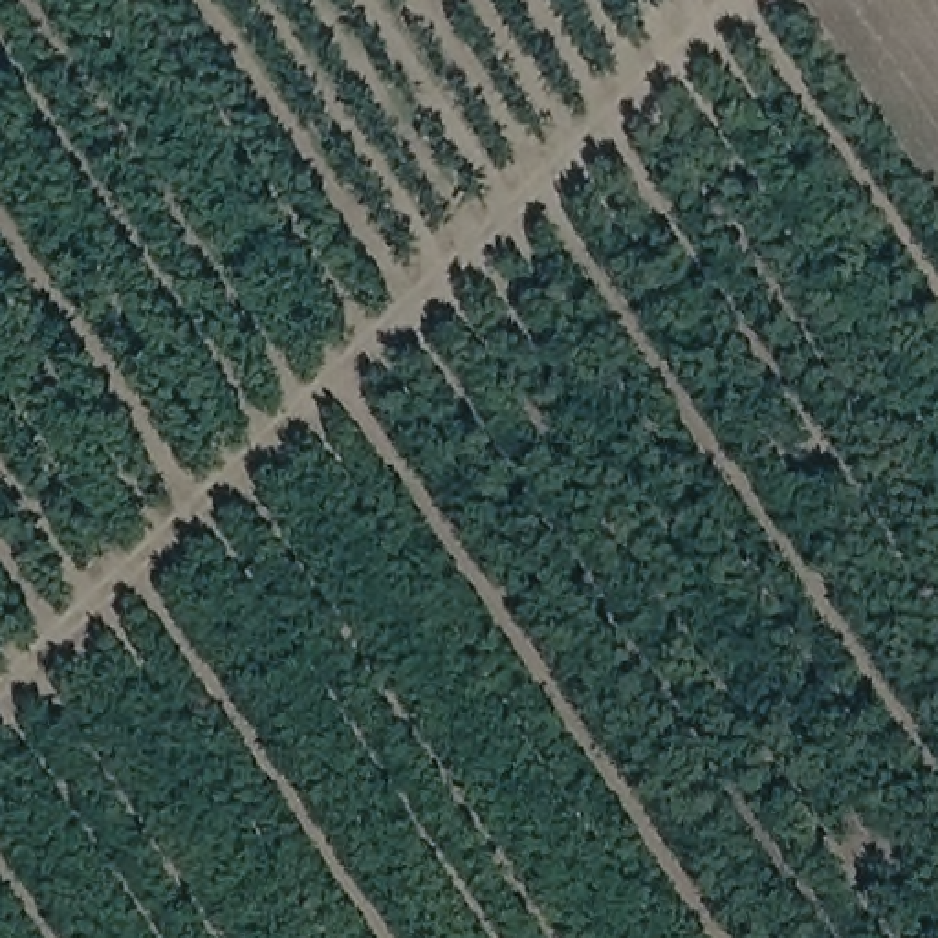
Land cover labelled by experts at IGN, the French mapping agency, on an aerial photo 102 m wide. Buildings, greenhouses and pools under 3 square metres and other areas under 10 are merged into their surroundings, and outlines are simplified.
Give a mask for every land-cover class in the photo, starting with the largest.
<instances>
[{"label":"deciduous trees","instance_id":"1","mask_svg":"<svg viewBox=\"0 0 938 938\"><path fill-rule=\"evenodd\" d=\"M51 26L73 48L70 59H62L37 33V22L26 15L18 0H0V202L26 235L33 256L48 267L51 282L62 286V293L84 311V319L99 333L103 348L121 363L125 377L143 396V407L183 469H216L220 451L242 443L249 429L245 418L256 407L275 410L282 403V377L297 374L300 381H308L322 366L326 348L344 344V304L381 311L388 297L377 260L348 231L341 209L330 205L322 176L300 158L293 136L256 95L253 81L235 62L231 44H224L220 33L202 18L194 0H40ZM245 33V40L253 44L256 59L264 62V70L271 73L300 125L315 128L319 147L330 158L337 180L348 183L352 194L366 205V216L377 224L396 260L410 256L414 242L407 216L392 209L388 191L370 172L366 158L355 154L352 136L333 125L308 73L282 48L271 18L253 0H216ZM304 48H311L322 70L333 77L348 114L363 125L370 143L381 147L385 161L392 165L399 183L418 198V209L432 227H440L447 216L443 198L421 176L410 147L392 132L366 81L355 70H348L330 29L319 22L308 0H278ZM348 33L370 55L374 70L392 88L407 84L410 77L396 59H388L381 29L366 18V11L355 0H330ZM451 26L476 51L506 106L535 139H546L550 117L528 103L513 66L506 55H498L487 26L480 22L469 0H465L451 15ZM502 22L528 55L575 117L586 114L579 84L561 62L553 37L546 29H535L524 0H495ZM594 73H608L616 66L608 48L612 40L627 37L630 44H641L649 37L638 4L630 0H550ZM399 26L421 51L432 77H440L454 92V103L465 125L476 132L487 158L495 165H509L513 154L502 136V125L487 114L480 88H473L465 73L443 59L432 26L407 7ZM766 22L802 70L821 110L843 128L865 169L879 180V187L898 205L909 231L938 267V176L931 169H916L912 158H905L894 147V132L879 103L861 95L846 55L828 51V44L817 37L813 18L806 22L799 15L777 11L766 15ZM729 48L740 55L758 95L740 92L733 73L722 66L718 51L711 48L700 40L689 44L685 73H678V84L663 92L652 121H645L630 139L656 191L671 198V209L696 242V256H682V249L674 245V231L660 213H652L638 198L634 180L619 158L594 161V169L583 172V187L561 198L568 220L583 235L594 260L608 271L612 286L627 297L649 341L674 366L678 381L693 396L696 410L707 418L725 454L751 476V487L766 502L773 524L795 542L802 561L821 572L828 601L850 619L872 663L883 671L898 700L912 711L920 736L938 755V300L927 278L909 260V253L901 249V242L894 238V231L887 227L883 213L872 205L868 187L846 172L839 150L806 117L799 95L784 84L773 59L762 51L758 37L729 40ZM813 425L824 429L828 447L821 454H832L835 469L791 473L788 454L810 451L806 429ZM429 139L436 165L458 172V191L469 198L484 194V176L476 169L447 139L436 110L421 106L410 121ZM531 256L513 253L495 260L509 278V293L495 297V286L484 278L480 286L462 282L451 293V319L440 322L436 333H429V341L458 370L465 385L462 396H451L443 374L418 348L388 352L392 370H385L370 355L355 359L363 399L370 403V414L381 421L396 451L421 476L432 502L451 520L480 572L502 586V597H520L513 619L535 641L539 656L561 682L568 704L579 711L590 736L608 751L627 784L638 791L656 832L674 850L685 876L696 883L700 898L733 938H938V769H927L905 747V729L876 700L868 678L857 674L839 634L810 605L791 564L780 557L777 546L766 542L740 491L714 469L711 454H704L693 443L663 377L641 359L630 333L619 326L616 311L605 304L597 286L583 275L572 253L561 245L553 224L546 220L528 231ZM846 813H857L865 828L890 835L894 865L883 861V850L876 843H865V854L854 865V883L839 872V857L828 854L824 839L846 835ZM22 498L44 502L59 539L70 546L73 557L77 568H84L92 557L128 550L143 539V509L169 506L165 480L143 447L132 414L128 403H121L110 392V374L88 359L84 341L73 333L66 311H59L44 289H37L26 278L7 238L0 235V539L11 542V553L18 557L22 572H29L40 597L59 612L70 605V583L62 579V564L48 550L44 531L37 528V513L18 506ZM326 425L322 432H304V447L289 458V465L253 469V487L267 495L275 517L264 520L256 517V509L238 506L224 509L220 528L227 539H235L238 557H224L220 542L205 531V539L191 542L183 564L169 568L165 579H154L165 605L191 638V645L202 652V660L216 671L231 700L253 722L271 762L293 780L308 813L333 843L341 865L381 909L396 938H484L476 916L462 905L458 890L436 861V854L443 850L458 865L480 905L491 912L502 938H707L696 912L678 898L656 857L645 850L616 791L586 762L583 747L557 718L542 685L524 671V660L502 634V627L491 623V612L476 586L454 568L451 553L425 524L396 469H388L381 458L355 425V418L337 403L333 410L319 414ZM37 634L29 608L22 586L0 564V667L4 645L26 649ZM114 608L128 638L117 641L106 630L95 649L84 645V652H73V660H62L48 671L51 693L37 696L33 704H18L15 725L0 722V850L7 865L22 876V883L33 890L44 920L55 927L59 938H374L363 912L337 887L326 861L289 813L286 799L278 795V788L260 773L238 729L194 678V671L187 667V660L180 656V649L172 645L154 612L128 583H117ZM0 938H40L22 901L0 879Z\"/></svg>","mask_w":938,"mask_h":938},{"label":"herbaceous vegetation","instance_id":"2","mask_svg":"<svg viewBox=\"0 0 938 938\"><path fill-rule=\"evenodd\" d=\"M26 15L37 22V33L62 59H70L73 48L51 26L40 0H18ZM202 18L220 33L224 44H231L235 62L253 81L256 95L293 136L300 158L322 176L330 205L341 209L348 231L377 260L388 297H399L410 282H418L421 267L410 256L396 260L377 224L366 216V205L352 194L348 183L337 180L330 158L319 147L315 128L300 125L271 73L264 70V62L256 59L253 44L245 40V33L216 0H194ZM271 18L282 48L308 73L333 125L352 136L355 154L366 158L370 172L388 191L392 209L407 216L414 242L432 227L418 209V198L399 183L392 165L385 161L381 147L370 143L363 125L348 114L333 77L322 70L311 48H304L278 0H253ZM319 22L330 29L348 70H355L366 81L392 132L410 147L421 176L443 198L447 216H454L469 198L458 191V172L436 165L429 139L410 121L421 106L436 110L447 139L476 169L487 158L476 132L465 125L454 103V92L440 77H432L421 51L399 26L407 7L432 26L443 59L465 73L473 88H480L487 114L502 125V136L513 154L535 139L506 106L476 51L451 26V15L465 0H355L366 11V18L381 29L388 59H396L410 77L407 84L392 88L374 70L370 55L348 33L330 0H308ZM480 22L487 26L498 55H506L513 66L528 55L502 22L495 0H469ZM535 29H546L553 37L561 62L579 84L594 73L550 0H524ZM817 0H758V11L747 22L722 18V40L711 48L718 51L722 66L733 73L740 92L758 95L740 55L729 48V40L758 37L762 51L773 59L784 84L799 95L806 117L839 150L846 172L868 187L872 205L883 213L887 227L894 231V238L901 242V249L909 253V260L927 278L938 300V267L909 231L898 205L879 187V180L865 169L843 128L821 110L802 70L766 22V15L777 11L799 15L806 22L813 18L810 7ZM619 158L634 180L638 198L652 213H660L674 231V245L682 249V256H696V242L671 209V198L656 191L630 139L627 132L612 139ZM546 220L553 224L561 245L572 253L583 275L597 286L605 304L616 311L619 326L630 333L641 359L663 377L693 443L704 454H711L714 469L740 491L766 542L777 546L780 557L791 564L810 605L839 634L857 674L868 678L876 700L905 729V747L927 769H938V755L920 736L912 711L898 700L883 671L872 663L850 619L828 601L821 572L802 561L795 542L773 524L766 502L751 487V476L725 454L707 418L696 410L693 396L678 381L674 366L649 341L627 297L612 286L608 271L594 260L583 235L568 220L561 198L557 187L539 198ZM0 235L7 238L26 278L37 289H44L59 311H66L73 333L84 341L88 359L110 374V392L121 403H128L132 414L143 407V396L125 377L121 363L103 348L99 333L84 319V311L62 293V286L51 282L48 267L33 256L26 235L0 202ZM513 253L531 256L528 231L520 227L509 238L487 245V256L476 264L484 278L495 286V297L509 293V278L495 260ZM418 348L443 374L451 396H462L465 385L458 370L429 341H421ZM810 451L788 454L791 473L835 469L832 454H821L828 447L824 429L813 425L806 429ZM388 469H396L425 524L451 553L454 568L476 586L491 612V623L502 627V634L524 660V671L542 685L557 718L583 747L586 762L616 791L645 850L656 857L678 898L696 912L707 938H733L700 898L696 883L685 876L674 850L656 832L638 791L627 784L608 751L590 736L579 711L568 704L561 682L539 656L535 641L513 619L520 597H502V586L480 572L451 520L432 502L421 476L396 451L381 458ZM238 506L256 509V517L264 520L275 517L267 495L253 487L245 495L224 484L213 487V513L198 520L205 524V531L220 542L224 557H238L235 539H227L220 528L224 509ZM18 506L37 513V528L44 531L48 550L62 564L73 557L70 546L59 539L44 502L22 498ZM0 564L22 586L29 608L40 597L29 572H22L18 557L11 553V542L0 539ZM172 645L180 649V656L187 660V667L194 671V678L238 729L260 773L278 788V795L286 799L289 813L326 861L337 887L363 912L374 938H396L381 909L341 865L333 843L308 813L293 780L271 762L253 722L231 700L216 671L202 660V652L191 645V638L165 605L154 612ZM865 843H876L883 850V861L894 865L890 835L865 828L857 813H846V835L824 839L828 854L839 857V872L854 883V865L865 854ZM0 879L22 901L40 938H59L55 927L44 920L33 890L22 883V876L7 865L0 850ZM436 861L458 890L462 905L476 916L484 938H502L491 912L480 905L458 865L443 850L436 854Z\"/></svg>","mask_w":938,"mask_h":938},{"label":"pervious surface","instance_id":"3","mask_svg":"<svg viewBox=\"0 0 938 938\"><path fill-rule=\"evenodd\" d=\"M638 4L649 37L641 44H630L627 37L612 40L608 48L616 66L608 73H594L579 84L586 114L575 117L528 55L513 66L528 103L550 117L546 139H535L513 154L509 165H495L487 158L476 169L484 176V194L469 198L454 216H447L440 227H432L414 242L410 256L421 267L418 282H410L399 297H388L381 311L344 304V344L326 348L322 366L308 381H300L297 374L282 377V403L275 410L256 407L245 418L249 429L242 443L220 451L216 469H183L143 407L132 414L143 447L165 480L169 506L143 509V539L128 550L92 557L84 568H77L73 557L62 564V579L70 583V605L59 612L40 597L29 608L37 634L26 649L4 645L0 667V722L15 725L18 704H33L37 696L51 693L48 671L62 660H73V652H84V645L95 649L106 630L117 641L128 638L114 608L117 583H128L154 612L165 605L154 579H165L169 568L183 564L191 542L205 539V524L198 520L213 513V487L224 484L245 495L253 487V469L289 465V458L304 447V432H322L326 425L319 414L333 410L337 403L355 418V425L381 458L396 451L381 421L370 414V403L363 399L355 359L370 355L385 370H392L388 352L418 348L421 341H429V333H436L440 322L451 319V293L462 282L480 286L484 278L476 264L487 256V245L509 238L520 227L528 231L546 220L539 198L557 187L561 198L583 187V172L594 169V161L619 158L612 139L627 132L630 139L645 121H652L663 92L678 84V73H685L689 44L700 40L711 48L722 40V18L747 22L758 11V0H630Z\"/></svg>","mask_w":938,"mask_h":938},{"label":"agricultural land","instance_id":"4","mask_svg":"<svg viewBox=\"0 0 938 938\"><path fill-rule=\"evenodd\" d=\"M813 18L817 37L828 44V51L846 55L861 95L879 103L894 132V147L905 158H912L916 169H931L938 176V0H817L810 7Z\"/></svg>","mask_w":938,"mask_h":938}]
</instances>
